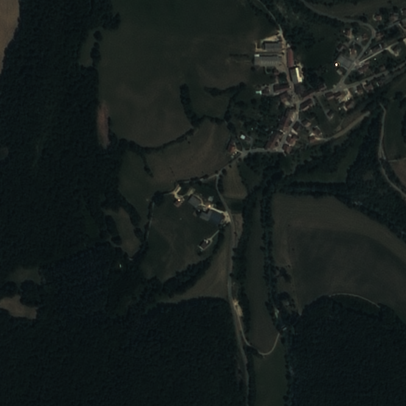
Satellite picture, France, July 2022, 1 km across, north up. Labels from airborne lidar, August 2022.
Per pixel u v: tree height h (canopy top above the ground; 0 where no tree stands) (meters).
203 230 0
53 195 18
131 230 0
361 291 0
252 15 0
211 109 0
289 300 7
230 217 0
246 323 9
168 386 19
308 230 0
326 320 14
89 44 0
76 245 16
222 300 15
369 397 17
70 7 24
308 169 16
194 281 19
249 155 9
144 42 0
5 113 14
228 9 0
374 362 20
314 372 11
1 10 0
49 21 14
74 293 24
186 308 19
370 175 0
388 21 9
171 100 0
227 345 14
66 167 26
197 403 19
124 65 0
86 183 19
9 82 20
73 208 22
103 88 0
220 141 0
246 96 0
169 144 7
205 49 0
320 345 14
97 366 17
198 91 0
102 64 0
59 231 17
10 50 16
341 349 18
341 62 0
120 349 26
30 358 19
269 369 0
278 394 0
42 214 18
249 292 0
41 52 15
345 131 0
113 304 10
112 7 20
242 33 0
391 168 10
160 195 21
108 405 17
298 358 15
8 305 0
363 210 17
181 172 0
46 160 18
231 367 14
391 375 17
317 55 0
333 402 14
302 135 0
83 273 22
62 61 21
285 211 0
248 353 15
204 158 0
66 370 18
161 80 0
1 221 16
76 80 24
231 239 0
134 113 0
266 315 0
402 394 17
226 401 17
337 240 0
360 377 21
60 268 26
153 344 28
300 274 0
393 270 0
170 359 19
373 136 13
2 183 17
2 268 20
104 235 18
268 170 22
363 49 0
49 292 18
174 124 0
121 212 0
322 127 0
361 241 0
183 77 0
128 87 0
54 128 20
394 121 0
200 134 0
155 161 0
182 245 0
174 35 0
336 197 14
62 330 21
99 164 23
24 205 20
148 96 0
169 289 19
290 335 15
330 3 8
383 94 17
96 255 18
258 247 0
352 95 0
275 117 8
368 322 22
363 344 17
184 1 0
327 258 0
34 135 12
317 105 7
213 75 0
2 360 17
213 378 19
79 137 16
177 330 18
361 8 0
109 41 0
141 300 12
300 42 15
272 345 0
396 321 23
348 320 17
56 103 20
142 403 20
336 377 17
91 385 22
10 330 16
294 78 0
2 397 18
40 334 20
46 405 24
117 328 26
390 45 0
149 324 20
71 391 19
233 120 0
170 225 0
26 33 20
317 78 12
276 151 0
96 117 18
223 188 9
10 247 19
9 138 18
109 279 16
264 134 10
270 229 7
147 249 16
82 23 17
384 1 0
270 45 0
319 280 0
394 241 0
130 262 8
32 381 20
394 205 5
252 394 11
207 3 0
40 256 21
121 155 9
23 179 18
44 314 17
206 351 16
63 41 19
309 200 0
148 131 0
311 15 11
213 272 0
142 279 12
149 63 0
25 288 22
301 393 11
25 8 24
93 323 17
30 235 16
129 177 0
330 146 9
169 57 0
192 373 17
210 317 19
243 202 7
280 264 0
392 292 0
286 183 14
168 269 0
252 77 0
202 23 0
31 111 14
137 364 15
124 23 0
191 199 0
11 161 15
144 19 0
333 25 13
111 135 20
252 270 0
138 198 0
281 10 0
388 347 17
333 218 0
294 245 0
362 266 0
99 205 18
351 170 9
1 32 0
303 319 13
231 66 0
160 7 0
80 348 18
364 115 0
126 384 15
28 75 23
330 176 0
